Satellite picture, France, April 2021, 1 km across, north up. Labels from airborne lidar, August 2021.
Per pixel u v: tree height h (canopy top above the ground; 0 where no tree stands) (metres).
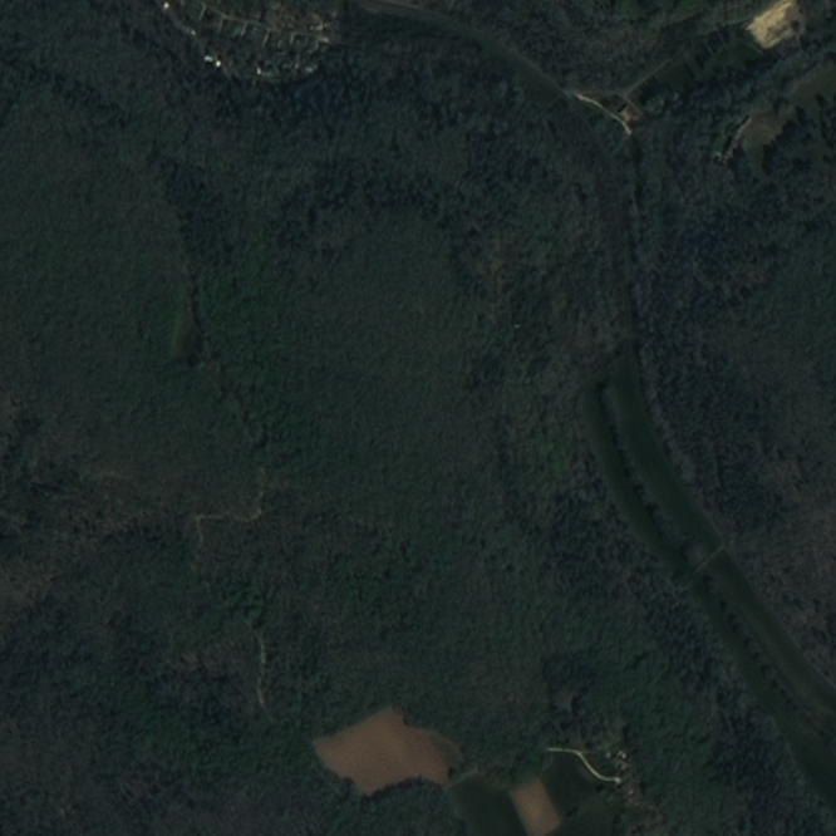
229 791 21
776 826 27
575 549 24
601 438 0
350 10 22
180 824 19
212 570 14
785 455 13
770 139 0
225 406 17
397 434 15
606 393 19
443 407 17
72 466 9
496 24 28
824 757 0
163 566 17
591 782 0
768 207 22
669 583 19
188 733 13
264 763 20
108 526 12
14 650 17
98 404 10
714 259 22
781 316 15
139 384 14
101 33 18
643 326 25
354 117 20
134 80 20
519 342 10
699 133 19
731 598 0
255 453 16
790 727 0
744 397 14
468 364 19
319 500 15
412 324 13
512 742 20
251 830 22
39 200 14
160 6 13
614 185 10
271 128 22
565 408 17
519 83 29
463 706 15
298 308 17
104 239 19
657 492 0
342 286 14
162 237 16
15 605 19
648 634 18
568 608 13
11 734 11
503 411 18
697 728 15
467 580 12
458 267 20
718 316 21
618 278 11
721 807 16
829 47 12
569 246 22
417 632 18
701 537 0
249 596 15
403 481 12
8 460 9
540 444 23
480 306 12
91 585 17
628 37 15
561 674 15
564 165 22
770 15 0
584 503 18
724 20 24
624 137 19
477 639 11
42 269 13
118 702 17
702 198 20
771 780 28
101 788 17
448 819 16
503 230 17
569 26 14
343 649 13
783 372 14
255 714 13
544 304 18
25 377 15
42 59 16
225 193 15
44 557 16
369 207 14
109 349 12
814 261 20
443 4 33
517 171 28
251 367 21
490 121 21
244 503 11
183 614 15
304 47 8
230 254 21
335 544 11
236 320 22
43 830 11
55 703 8
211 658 12
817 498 12
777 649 0
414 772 0
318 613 13
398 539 16
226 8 9
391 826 16
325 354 17
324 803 20
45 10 20
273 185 20
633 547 16
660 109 13
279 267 18
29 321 15
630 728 15
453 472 17
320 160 17
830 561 14
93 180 17
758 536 18
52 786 9
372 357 14
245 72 14
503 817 0
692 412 20
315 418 14
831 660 11
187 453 13
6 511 14
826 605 11
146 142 20
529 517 13
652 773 19
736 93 22
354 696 17
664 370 18
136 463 10
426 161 20
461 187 16
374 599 18
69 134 16
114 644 11
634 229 21
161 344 20
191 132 21
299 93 19
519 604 20
